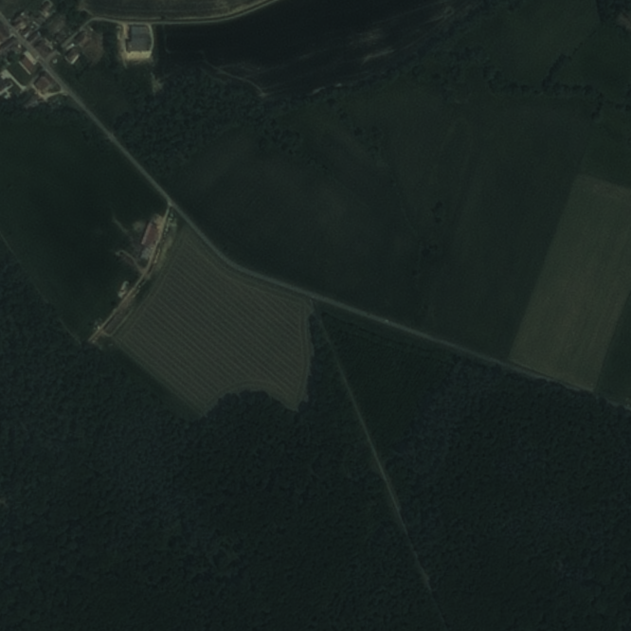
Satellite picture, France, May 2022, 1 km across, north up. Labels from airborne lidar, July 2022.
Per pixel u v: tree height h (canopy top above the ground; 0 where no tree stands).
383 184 0
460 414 27
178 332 0
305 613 26
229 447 24
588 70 0
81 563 28
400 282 0
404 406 6
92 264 0
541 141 0
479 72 0
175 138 29
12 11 0
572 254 0
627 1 28
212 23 0
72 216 0
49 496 25
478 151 0
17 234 0
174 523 24
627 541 30
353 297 0
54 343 25
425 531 22
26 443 28
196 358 0
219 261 0
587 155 0
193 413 0
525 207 0
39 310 22
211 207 0
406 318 0
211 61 0
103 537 26
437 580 22
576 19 0
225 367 0
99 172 0
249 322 0
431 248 9
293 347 0
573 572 29
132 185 0
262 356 0
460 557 26
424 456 30
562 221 0
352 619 25
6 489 24
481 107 0
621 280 0
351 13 0
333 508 23
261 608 25
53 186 0
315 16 0
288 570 23
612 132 0
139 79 0
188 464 24
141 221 0
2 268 17
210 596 23
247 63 0
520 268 0
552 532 24
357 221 0
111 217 0
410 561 22
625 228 0
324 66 0
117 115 0
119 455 26
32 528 31
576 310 0
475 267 0
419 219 0
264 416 26
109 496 27
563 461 27
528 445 27
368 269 0
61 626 22
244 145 0
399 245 0
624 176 0
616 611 25
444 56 24
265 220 0
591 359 0
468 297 0
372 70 0
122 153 0
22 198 0
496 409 26
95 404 14
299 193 0
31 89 0
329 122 0
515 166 0
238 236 0
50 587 26
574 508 24
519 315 0
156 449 27
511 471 27
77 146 0
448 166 0
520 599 25
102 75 0
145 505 20
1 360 30
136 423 30
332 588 26
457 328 0
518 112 0
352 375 8
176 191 0
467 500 24
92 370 25
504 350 0
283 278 0
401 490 6
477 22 19
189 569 25
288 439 24
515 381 25
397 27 0
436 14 0
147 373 0
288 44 0
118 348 0
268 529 22
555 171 0
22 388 16
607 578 32
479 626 20
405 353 7
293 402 0
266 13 0
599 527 26
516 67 0
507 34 0
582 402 26
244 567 24
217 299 0
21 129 0
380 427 6
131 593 22
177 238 0
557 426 27
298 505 19
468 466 25
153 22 0
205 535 29
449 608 24
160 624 21
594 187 0
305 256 0
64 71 0
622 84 0
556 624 15
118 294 0
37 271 0
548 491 24
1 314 23
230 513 25
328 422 26
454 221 0
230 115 23
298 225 0
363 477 13
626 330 0
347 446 23
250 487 21
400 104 0
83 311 0
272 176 0
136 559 25
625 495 28
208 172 0
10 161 0
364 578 23
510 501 28
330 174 16
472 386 29
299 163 0
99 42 0
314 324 15
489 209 0
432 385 7
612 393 0
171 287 0
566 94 17
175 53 0
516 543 23
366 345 6
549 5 0
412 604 25
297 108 15
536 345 0
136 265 0
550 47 0
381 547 23
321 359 14
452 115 0
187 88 11
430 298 0
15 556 29
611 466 23
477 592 22
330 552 25
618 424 27
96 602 22
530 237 0
